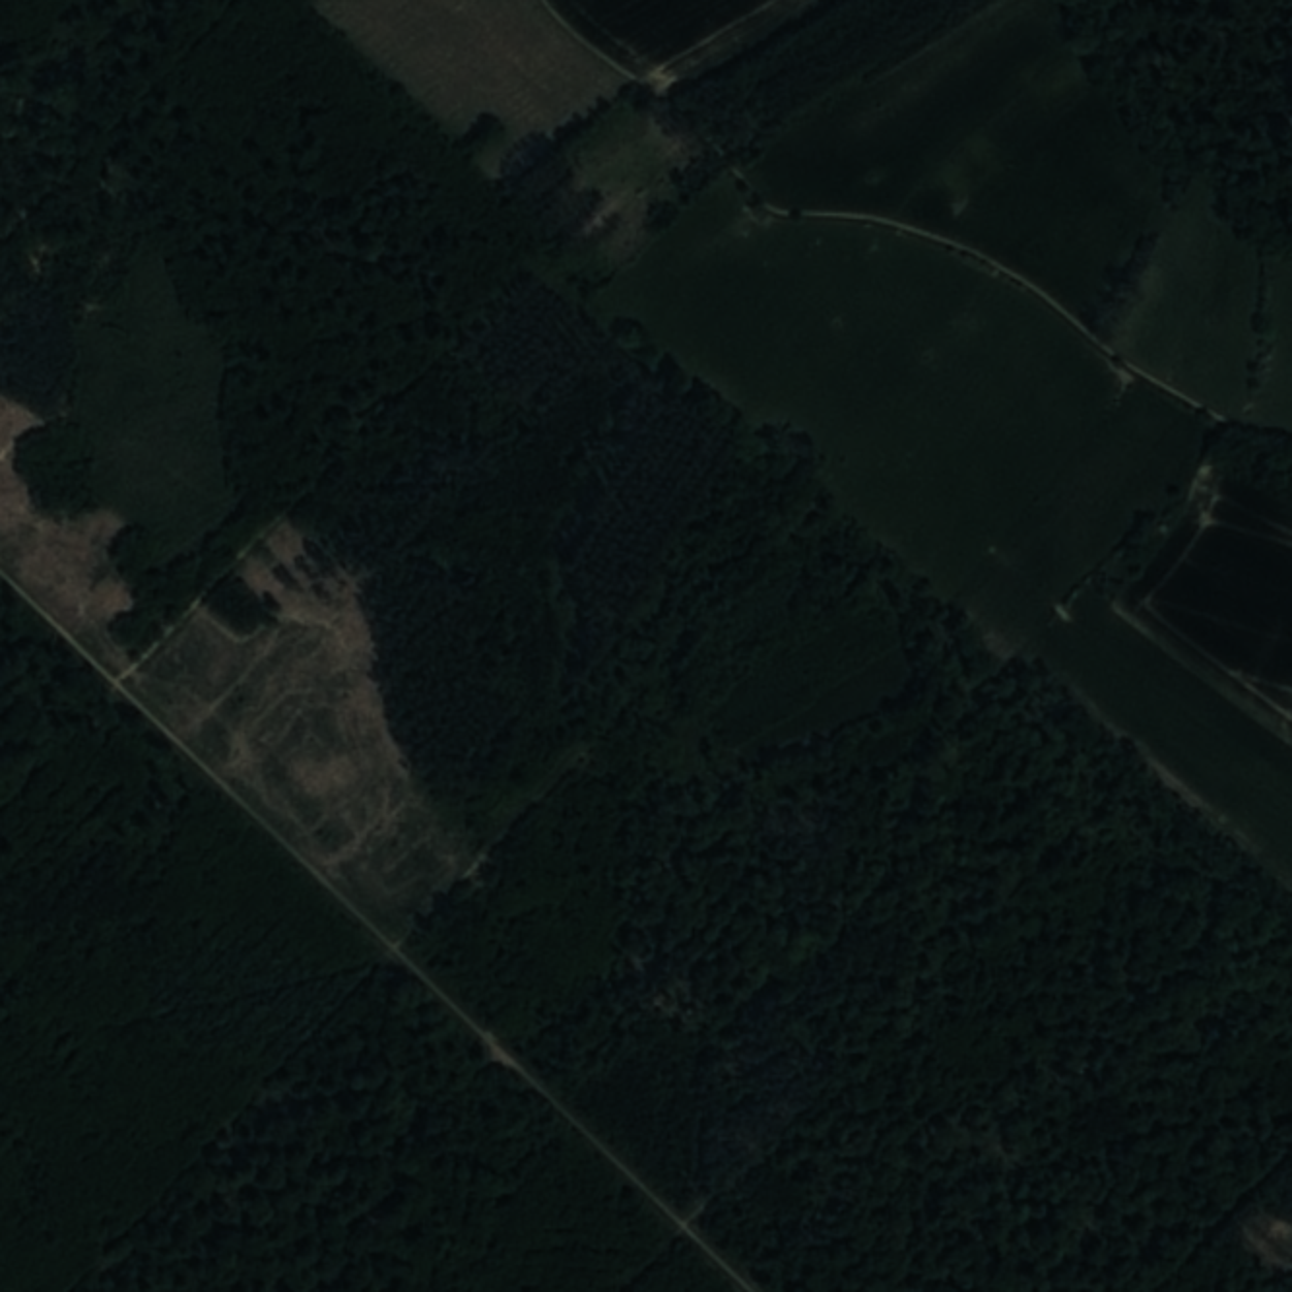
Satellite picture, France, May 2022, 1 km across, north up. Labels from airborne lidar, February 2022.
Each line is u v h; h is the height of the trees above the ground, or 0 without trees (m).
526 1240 12
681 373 22
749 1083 19
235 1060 7
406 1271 29
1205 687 0
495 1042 0
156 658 0
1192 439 0
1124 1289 23
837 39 13
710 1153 20
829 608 21
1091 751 11
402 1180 31
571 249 31
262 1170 29
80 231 25
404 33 0
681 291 0
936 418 0
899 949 22
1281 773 0
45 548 0
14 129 24
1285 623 0
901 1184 16
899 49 13
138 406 0
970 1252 27
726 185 0
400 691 22
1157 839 23
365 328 31
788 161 0
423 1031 28
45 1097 9
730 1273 0
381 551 25
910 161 0
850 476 0
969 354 0
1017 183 0
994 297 0
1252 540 0
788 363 0
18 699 30
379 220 18
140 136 22
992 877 22
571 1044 25
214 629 0
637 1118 13
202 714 0
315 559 26
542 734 10
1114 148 0
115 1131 9
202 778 0
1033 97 0
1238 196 22
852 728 8
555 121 0
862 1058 17
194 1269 28
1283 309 0
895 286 0
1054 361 0
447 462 27
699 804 24
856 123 0
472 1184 25
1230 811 0
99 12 27
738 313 0
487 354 17
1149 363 0
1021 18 0
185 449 0
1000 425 0
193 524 0
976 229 0
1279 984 12
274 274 26
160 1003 7
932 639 24
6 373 13
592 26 0
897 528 0
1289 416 0
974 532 0
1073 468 0
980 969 19
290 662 0
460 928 11
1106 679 0
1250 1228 0
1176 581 0
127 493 0
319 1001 9
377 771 0
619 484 35
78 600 0
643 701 22
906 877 22
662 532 37
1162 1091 22
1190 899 22
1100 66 24
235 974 8
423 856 0
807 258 0
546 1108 15
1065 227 0
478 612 22
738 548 15
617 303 0
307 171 27
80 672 24
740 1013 20
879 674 0
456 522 11
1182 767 0
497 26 0
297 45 15
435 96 0
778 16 0
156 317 0
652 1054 16
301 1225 26
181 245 25
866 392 0
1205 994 26
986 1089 16
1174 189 13
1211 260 0
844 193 0
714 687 22
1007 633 0
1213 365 0
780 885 20
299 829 0
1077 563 0
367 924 0
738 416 19
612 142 0
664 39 0
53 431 6
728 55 0
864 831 21
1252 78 37
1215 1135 26
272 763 0
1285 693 0
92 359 0
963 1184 26
